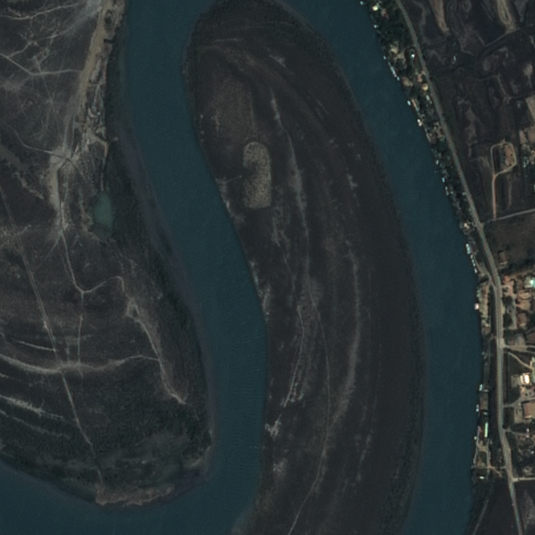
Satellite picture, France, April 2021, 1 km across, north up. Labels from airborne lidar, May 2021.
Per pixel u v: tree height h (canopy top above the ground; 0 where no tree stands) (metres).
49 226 0
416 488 0
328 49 6
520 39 0
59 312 0
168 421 6
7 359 0
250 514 0
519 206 0
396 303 0
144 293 0
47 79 0
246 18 0
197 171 0
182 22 0
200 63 0
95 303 0
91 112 0
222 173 0
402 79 7
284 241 0
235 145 0
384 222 0
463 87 0
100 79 0
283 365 0
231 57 0
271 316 0
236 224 0
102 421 0
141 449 0
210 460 0
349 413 0
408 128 0
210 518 0
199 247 0
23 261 0
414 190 0
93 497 0
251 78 0
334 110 0
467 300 0
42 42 0
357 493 0
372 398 0
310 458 0
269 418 0
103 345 0
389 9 9
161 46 0
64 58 0
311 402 0
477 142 0
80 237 0
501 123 0
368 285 0
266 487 0
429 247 0
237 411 0
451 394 0
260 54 0
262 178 0
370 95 0
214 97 0
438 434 0
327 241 0
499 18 0
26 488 0
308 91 0
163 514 0
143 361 0
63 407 0
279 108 0
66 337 0
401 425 0
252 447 0
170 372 0
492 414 8
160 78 0
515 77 0
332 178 0
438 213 0
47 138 0
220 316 0
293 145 0
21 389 0
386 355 0
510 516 0
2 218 0
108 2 0
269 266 0
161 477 0
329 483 0
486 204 0
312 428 0
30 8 0
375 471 0
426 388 0
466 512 0
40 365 0
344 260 0
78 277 0
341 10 0
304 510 0
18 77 0
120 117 0
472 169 0
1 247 0
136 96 0
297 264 0
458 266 0
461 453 0
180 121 0
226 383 0
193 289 0
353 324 0
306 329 0
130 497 0
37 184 0
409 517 0
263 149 0
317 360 0
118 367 0
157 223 0
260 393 0
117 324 0
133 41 0
